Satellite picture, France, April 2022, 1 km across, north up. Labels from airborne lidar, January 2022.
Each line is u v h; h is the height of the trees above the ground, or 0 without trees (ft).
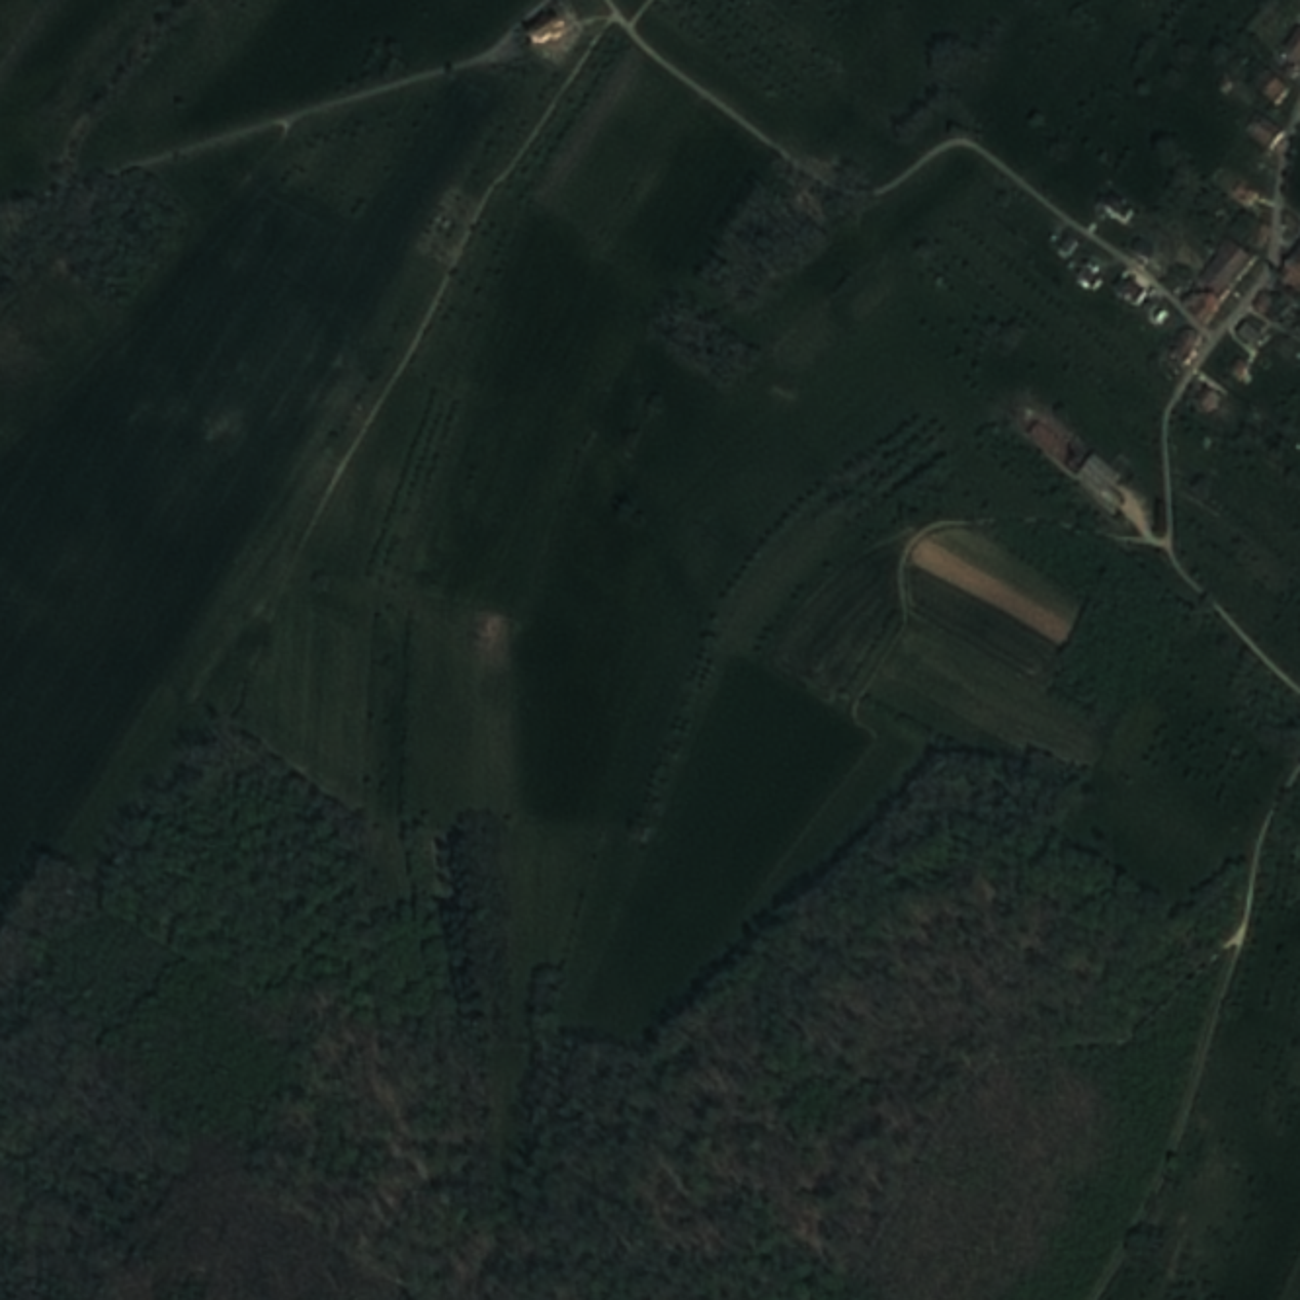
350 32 0
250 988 65
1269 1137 0
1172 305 0
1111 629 19
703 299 0
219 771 68
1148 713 0
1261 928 22
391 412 0
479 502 0
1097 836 0
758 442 0
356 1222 96
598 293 0
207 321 0
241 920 69
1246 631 0
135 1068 43
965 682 0
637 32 0
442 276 0
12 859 0
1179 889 0
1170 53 0
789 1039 80
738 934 0
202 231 0
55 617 0
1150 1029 33
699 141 0
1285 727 23
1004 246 0
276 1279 70
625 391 0
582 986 0
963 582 0
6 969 83
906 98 0
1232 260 0
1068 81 0
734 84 0
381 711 0
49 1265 65
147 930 37
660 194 0
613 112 0
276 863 71
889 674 0
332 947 61
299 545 0
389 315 0
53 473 0
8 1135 90
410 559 0
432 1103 62
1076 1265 34
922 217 0
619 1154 88
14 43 0
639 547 0
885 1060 38
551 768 0
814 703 0
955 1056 31
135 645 0
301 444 0
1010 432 25
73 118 0
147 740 0
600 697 0
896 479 19
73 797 0
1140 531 0
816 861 0
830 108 0
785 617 0
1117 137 0
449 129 0
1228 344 0
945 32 0
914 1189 65
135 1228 58
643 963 0
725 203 0
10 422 0
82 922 68
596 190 0
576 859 0
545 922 0
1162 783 0
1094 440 0
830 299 0
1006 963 87
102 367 0
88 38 0
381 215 0
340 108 0
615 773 0
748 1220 83
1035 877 75
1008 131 0
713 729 0
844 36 0
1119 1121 54
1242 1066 0
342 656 0
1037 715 0
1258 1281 0
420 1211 94
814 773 0
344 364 0
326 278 0
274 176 0
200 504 0
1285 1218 0
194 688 0
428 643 0
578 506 0
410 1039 52
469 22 0
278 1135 26
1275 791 0
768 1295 75
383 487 0
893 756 0
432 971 56
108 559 0
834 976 90
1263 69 20
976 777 63
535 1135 79
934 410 0
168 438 0
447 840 0
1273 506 0
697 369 80
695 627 0
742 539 0
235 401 0
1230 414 0
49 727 0
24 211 67
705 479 0
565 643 0
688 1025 87
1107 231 0
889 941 85
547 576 0
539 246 0
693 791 0
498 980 62
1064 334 0
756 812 0
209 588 0
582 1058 67
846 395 0
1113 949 76
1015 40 0
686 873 0
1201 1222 0
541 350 0
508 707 0
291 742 0
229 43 0
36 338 0
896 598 0
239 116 0
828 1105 43
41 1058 89
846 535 0
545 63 0
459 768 0
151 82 0
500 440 0
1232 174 0
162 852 76
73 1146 62
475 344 0
